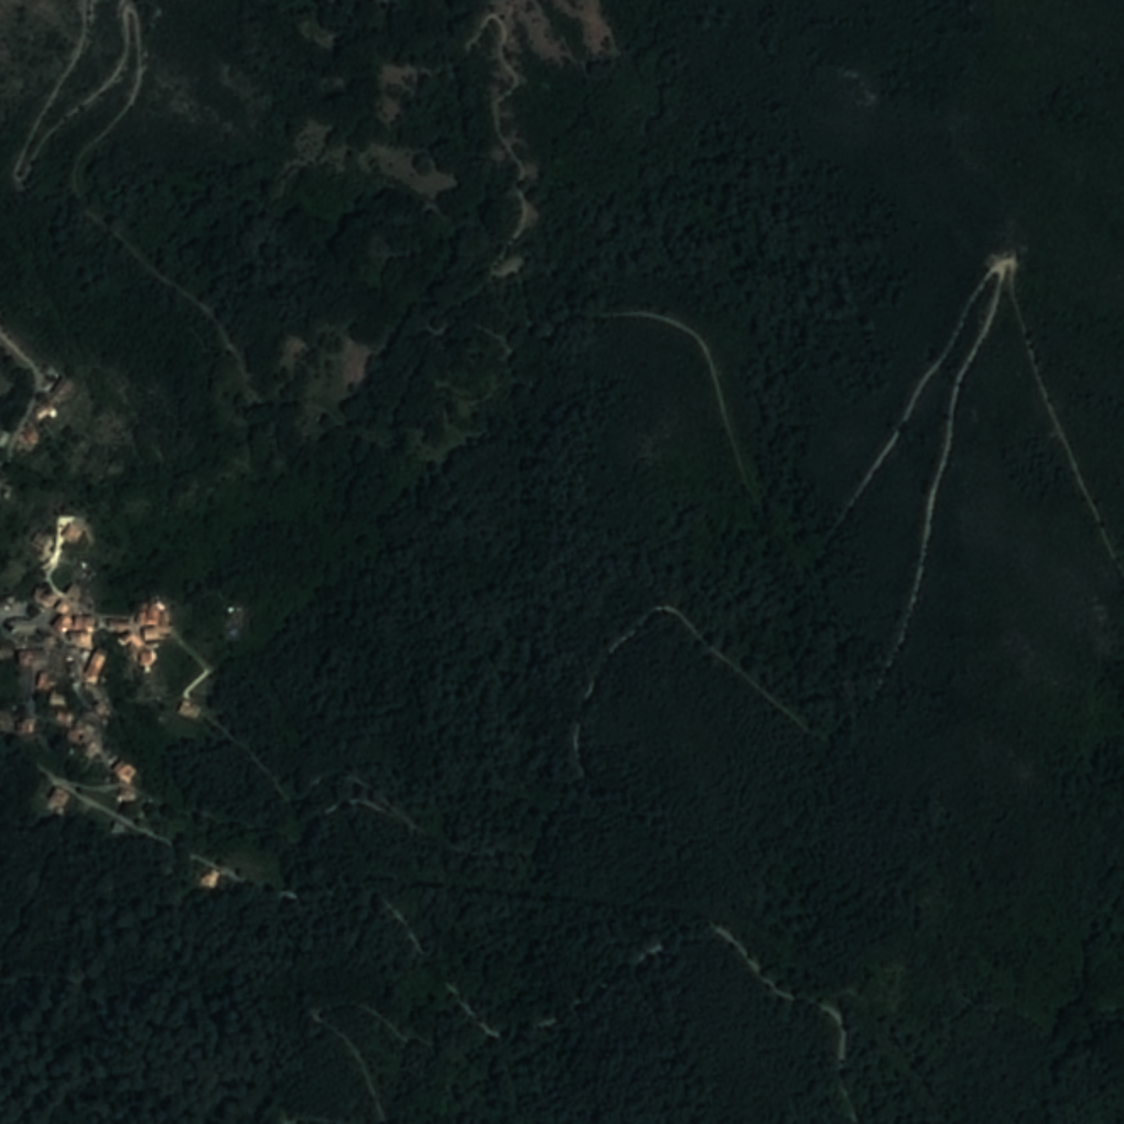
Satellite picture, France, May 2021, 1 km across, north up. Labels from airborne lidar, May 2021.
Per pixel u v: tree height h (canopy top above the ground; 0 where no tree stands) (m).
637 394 8
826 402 7
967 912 9
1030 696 6
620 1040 14
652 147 14
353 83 17
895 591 6
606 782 17
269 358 20
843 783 13
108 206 6
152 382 8
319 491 6
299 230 20
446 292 19
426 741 11
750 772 14
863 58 7
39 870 17
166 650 0
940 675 5
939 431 6
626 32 9
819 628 18
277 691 13
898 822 14
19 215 10
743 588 19
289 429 16
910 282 6
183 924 20
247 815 16
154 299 12
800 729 10
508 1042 16
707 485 8
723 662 7
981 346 7
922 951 8
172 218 13
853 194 8
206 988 12
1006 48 7
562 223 11
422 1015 17
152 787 7
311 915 20
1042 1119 9
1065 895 8
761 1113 8
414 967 22
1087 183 7
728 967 15
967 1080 9
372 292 14
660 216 27
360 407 17
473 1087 14
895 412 5
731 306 13
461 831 24
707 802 13
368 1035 10
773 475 19
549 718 17
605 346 6
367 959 20
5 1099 29
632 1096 19
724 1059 15
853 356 9
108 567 15
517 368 14
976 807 8
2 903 17
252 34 19
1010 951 12
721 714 15
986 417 6
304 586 10
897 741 6
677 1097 19
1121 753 15
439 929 16
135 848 15
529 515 22
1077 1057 21
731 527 11
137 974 14
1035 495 13
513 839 20
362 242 18
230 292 11
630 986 21
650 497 7
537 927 16
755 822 8
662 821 14
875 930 14
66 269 7
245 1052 40
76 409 0
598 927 23
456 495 19
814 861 15
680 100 16
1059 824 10
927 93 6
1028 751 8
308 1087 12
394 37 11
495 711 24
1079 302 6
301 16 17
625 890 8
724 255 24
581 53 5
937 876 6
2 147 7
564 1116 26
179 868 10
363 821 14
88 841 11
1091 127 9
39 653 0
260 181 9
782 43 7
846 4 8
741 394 6
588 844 12
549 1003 16
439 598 17
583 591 21
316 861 12
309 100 18
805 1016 15
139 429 14
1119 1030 21
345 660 22
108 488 9
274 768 14
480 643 16
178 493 13
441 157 16
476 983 17
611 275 11
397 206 17
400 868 11
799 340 16
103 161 22
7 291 8
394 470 14
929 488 12
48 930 16
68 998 27
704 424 6
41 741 7
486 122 8
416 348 21
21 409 11
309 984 7
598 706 11
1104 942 18
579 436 23
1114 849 14
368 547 10
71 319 9
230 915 16
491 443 15
